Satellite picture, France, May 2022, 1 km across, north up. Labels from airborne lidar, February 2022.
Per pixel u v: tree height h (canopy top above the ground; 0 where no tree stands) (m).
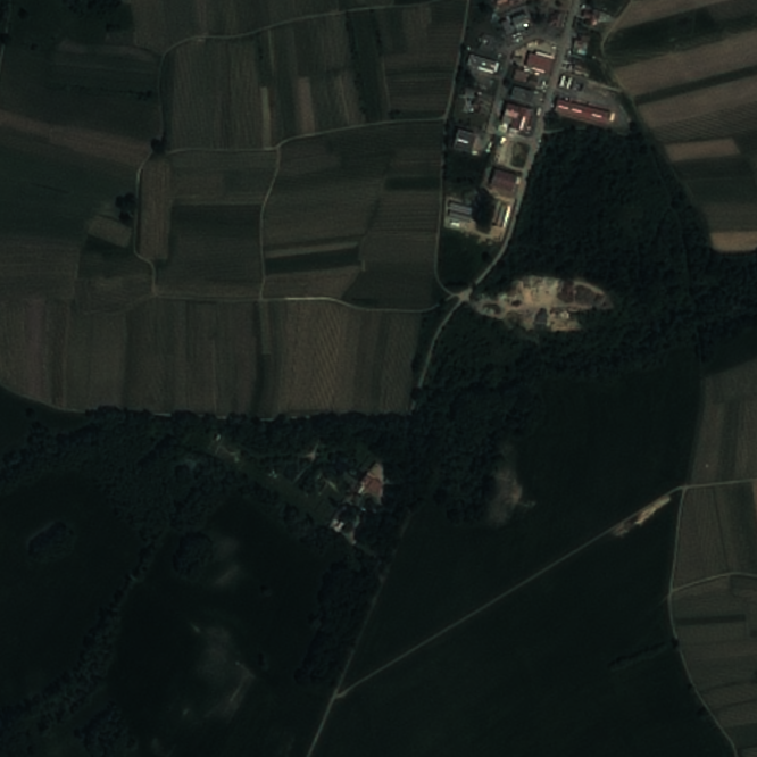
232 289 0
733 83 0
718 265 20
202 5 0
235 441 16
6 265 0
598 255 9
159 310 0
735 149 0
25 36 0
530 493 0
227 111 0
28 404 0
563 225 9
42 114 0
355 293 0
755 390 0
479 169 0
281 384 0
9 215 0
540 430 0
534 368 17
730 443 0
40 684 0
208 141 0
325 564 0
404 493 23
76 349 0
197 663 0
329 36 0
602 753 0
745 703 0
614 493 0
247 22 0
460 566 0
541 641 0
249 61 0
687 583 0
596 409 0
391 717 0
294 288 0
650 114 0
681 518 0
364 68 0
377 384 0
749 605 0
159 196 0
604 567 0
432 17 0
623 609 0
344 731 0
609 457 0
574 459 0
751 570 0
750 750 0
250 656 0
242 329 0
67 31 0
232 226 0
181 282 0
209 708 0
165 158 0
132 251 0
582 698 0
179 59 0
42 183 0
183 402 0
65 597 0
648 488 0
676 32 0
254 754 0
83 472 15
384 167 0
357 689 0
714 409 0
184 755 0
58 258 0
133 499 24
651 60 0
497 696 0
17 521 0
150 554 12
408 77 0
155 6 0
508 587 0
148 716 0
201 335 0
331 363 0
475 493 18
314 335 0
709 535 0
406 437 18
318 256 0
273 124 0
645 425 0
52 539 19
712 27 0
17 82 0
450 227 0
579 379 15
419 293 0
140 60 0
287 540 0
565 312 0
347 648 10
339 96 0
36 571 0
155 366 0
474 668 0
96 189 0
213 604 0
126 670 0
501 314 0
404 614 0
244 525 0
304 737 0
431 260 0
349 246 0
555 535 0
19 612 0
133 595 0
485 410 25
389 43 0
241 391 0
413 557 0
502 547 0
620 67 0
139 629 0
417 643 0
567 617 0
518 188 0
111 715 11
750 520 0
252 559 0
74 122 0
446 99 0
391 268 0
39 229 0
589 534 0
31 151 0
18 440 0
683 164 0
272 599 0
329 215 0
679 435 0
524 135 0
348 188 0
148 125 0
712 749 0
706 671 0
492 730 0
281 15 0
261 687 0
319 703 0
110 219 0
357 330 0
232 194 0
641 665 0
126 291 0
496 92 0
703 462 0
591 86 0
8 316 0
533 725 0
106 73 0
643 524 0
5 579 0
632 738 0
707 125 0
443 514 0
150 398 0
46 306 0
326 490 0
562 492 0
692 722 0
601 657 0
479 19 0
